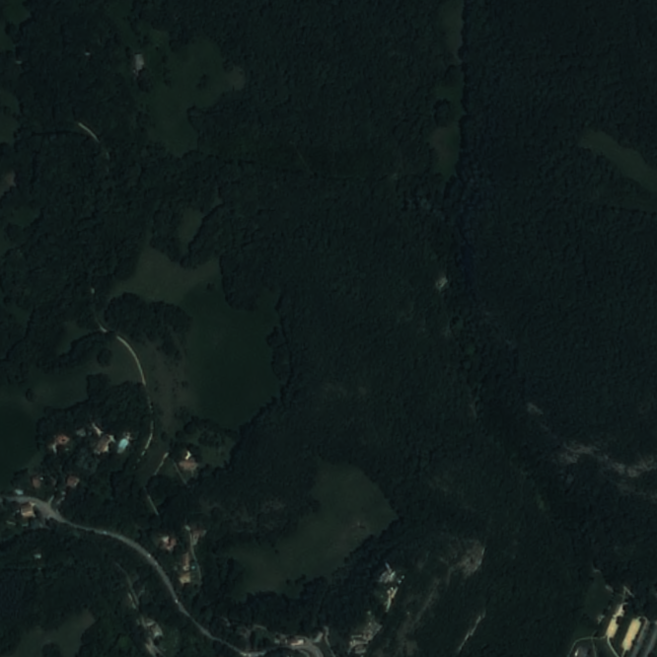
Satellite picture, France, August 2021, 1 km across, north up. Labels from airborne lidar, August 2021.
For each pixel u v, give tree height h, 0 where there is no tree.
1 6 16
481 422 21
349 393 6
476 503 7
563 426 12
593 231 9
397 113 7
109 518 23
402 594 7
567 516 28
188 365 0
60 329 13
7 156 21
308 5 25
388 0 14
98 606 14
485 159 13
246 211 22
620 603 0
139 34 9
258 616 20
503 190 6
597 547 20
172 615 27
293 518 11
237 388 0
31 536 12
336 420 6
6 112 14
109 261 15
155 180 14
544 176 18
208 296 0
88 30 16
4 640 14
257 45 19
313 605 10
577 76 17
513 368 11
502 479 12
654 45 17
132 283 0
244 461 22
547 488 28
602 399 8
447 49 26
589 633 0
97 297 14
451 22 0
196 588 8
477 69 20
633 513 10
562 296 12
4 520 6
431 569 6
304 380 17
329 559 0
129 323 14
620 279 9
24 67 14
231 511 9
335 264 8
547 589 22
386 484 13
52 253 19
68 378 0
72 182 18
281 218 20
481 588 11
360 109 24
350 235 18
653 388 6
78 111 18
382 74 18
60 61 21
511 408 10
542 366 7
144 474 0
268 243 18
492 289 11
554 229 14
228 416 0
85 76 22
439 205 27
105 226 12
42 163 22
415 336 7
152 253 0
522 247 11
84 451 16
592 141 0
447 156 0
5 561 18
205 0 11
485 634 21
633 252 8
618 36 16
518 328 7
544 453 17
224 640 13
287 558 0
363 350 10
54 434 14
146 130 11
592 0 16
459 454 12
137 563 13
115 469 14
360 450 8
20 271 21
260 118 15
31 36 23
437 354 15
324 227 20
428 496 12
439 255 27
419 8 26
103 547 16
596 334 9
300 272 11
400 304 7
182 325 18
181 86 0
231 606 20
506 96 10
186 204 13
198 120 15
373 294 7
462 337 27
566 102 14
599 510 22
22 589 21
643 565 6
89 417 14
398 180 18
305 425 9
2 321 17
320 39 18
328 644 0
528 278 10
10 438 0
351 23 19
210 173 9
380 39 11
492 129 13
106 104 18
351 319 8
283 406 16
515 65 19
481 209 8
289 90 19
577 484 22
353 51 19
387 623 11
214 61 0
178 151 0
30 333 13
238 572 21
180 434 13
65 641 0
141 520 24
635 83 16
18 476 12
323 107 22
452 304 23
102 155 20
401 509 21
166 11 12
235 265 13
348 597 12
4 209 15
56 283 22
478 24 25
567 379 7
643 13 13
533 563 17
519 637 16
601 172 13
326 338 8
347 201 19
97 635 9
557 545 17
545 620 19
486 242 11
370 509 0
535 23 18
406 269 7
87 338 13
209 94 0
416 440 15
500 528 6
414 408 12
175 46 10
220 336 0
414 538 5
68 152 20
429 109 17
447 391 11
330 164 9
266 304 0
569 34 18
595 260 14
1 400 0
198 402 0
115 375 0
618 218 6
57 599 11
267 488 9
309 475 11
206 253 19
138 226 17
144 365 0
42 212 14
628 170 0
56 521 14
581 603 15
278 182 21
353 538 0
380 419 10
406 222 56
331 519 0
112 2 15
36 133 9
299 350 18
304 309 6
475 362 27
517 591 24
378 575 9
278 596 22
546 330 11
